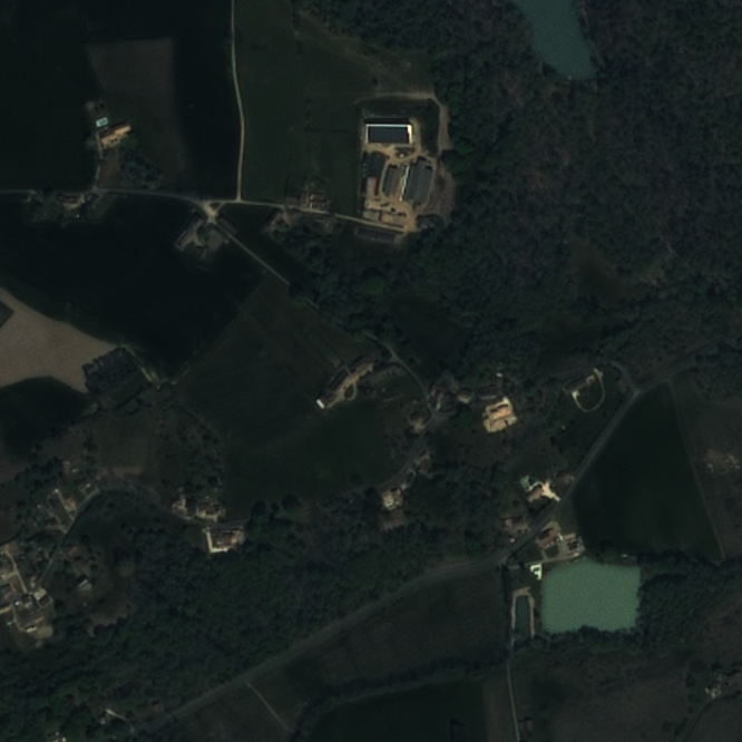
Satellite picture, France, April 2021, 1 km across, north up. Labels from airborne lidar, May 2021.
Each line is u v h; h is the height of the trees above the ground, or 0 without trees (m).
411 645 0
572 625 0
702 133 11
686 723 8
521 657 14
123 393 0
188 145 0
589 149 23
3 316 0
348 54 0
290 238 11
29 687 9
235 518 0
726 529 0
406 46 8
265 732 0
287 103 0
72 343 0
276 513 16
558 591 0
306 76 0
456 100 18
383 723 0
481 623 0
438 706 0
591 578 0
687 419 0
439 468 11
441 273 22
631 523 0
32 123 0
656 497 0
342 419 0
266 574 24
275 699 0
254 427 0
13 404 0
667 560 14
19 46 0
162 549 16
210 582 17
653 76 32
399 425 0
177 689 22
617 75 21
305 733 17
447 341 0
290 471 0
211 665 21
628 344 11
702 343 10
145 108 0
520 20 20
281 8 0
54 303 0
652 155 17
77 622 7
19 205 0
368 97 0
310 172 0
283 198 0
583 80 0
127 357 16
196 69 0
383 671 0
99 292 0
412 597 11
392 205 0
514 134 22
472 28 19
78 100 0
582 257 0
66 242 0
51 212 0
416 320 0
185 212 0
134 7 0
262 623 23
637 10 16
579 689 0
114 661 11
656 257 27
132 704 21
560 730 0
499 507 8
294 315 0
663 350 6
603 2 23
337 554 24
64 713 16
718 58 24
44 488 11
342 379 0
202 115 0
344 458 0
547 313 14
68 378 0
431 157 0
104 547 0
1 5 0
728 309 20
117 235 0
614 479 0
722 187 18
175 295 0
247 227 0
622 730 0
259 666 14
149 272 0
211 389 0
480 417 0
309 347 0
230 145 0
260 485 0
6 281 0
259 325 0
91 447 10
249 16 0
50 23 0
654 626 17
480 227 22
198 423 6
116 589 0
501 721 0
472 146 24
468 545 18
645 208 21
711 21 7
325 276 16
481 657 0
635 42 15
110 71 0
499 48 22
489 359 26
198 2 0
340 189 0
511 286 23
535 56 23
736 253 20
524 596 0
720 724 0
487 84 18
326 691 0
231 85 0
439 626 0
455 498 14
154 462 0
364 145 0
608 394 0
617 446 0
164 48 0
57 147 0
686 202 13
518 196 12
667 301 12
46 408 0
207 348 0
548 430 14
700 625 17
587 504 0
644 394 0
